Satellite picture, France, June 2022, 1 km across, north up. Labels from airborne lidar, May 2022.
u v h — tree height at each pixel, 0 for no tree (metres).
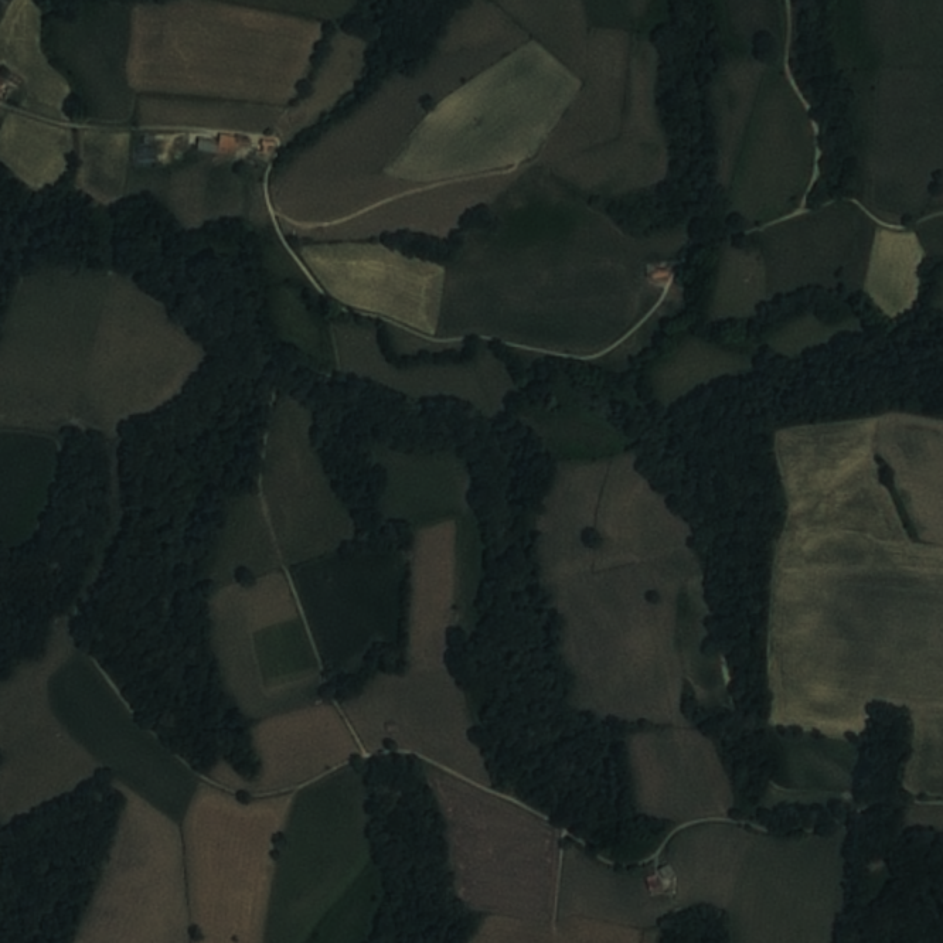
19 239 25
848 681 0
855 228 0
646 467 17
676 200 7
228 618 0
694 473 19
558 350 0
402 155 0
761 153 0
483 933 0
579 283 0
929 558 0
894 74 0
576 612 0
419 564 0
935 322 13
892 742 21
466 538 0
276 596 0
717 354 0
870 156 0
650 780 0
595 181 0
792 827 16
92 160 0
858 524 0
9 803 0
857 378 23
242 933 0
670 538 0
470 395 0
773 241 0
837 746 0
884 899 14
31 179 0
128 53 0
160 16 0
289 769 0
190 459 10
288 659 0
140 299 0
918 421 0
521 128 0
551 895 0
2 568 18
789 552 0
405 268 0
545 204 0
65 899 11
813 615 0
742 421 19
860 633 0
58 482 12
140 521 24
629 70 0
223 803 0
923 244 0
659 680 0
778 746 0
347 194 0
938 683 0
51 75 0
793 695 0
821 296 19
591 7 0
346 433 22
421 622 0
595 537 14
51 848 27
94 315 0
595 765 27
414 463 0
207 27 0
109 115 0
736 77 0
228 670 0
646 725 9
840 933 18
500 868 0
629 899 0
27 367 0
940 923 28
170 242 21
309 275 0
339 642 0
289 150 10
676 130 16
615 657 0
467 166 0
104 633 18
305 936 0
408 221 0
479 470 20
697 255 25
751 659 19
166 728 17
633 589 0
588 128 0
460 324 0
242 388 26
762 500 24
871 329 21
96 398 0
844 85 9
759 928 0
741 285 0
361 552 13
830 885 0
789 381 19
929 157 0
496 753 8
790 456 0
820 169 9
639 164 0
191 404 20
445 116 0
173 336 0
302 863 0
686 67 10
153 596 22
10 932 19
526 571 26
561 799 10
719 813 0
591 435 0
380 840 16
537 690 17
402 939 20
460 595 0
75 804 18
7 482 0
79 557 22
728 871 0
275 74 0
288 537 0
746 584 13
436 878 17
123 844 0
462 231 9
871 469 0
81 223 22
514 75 0
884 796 16
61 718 0
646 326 0
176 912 0
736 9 0
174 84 0
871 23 0
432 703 0
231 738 22
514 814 0
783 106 0
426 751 0
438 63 0
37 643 19
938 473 0
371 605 0
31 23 0
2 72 10
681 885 0
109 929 0
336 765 0
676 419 18
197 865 0
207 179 0
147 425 21
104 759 0
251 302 21
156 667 6
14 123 0
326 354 0
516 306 0
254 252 18
